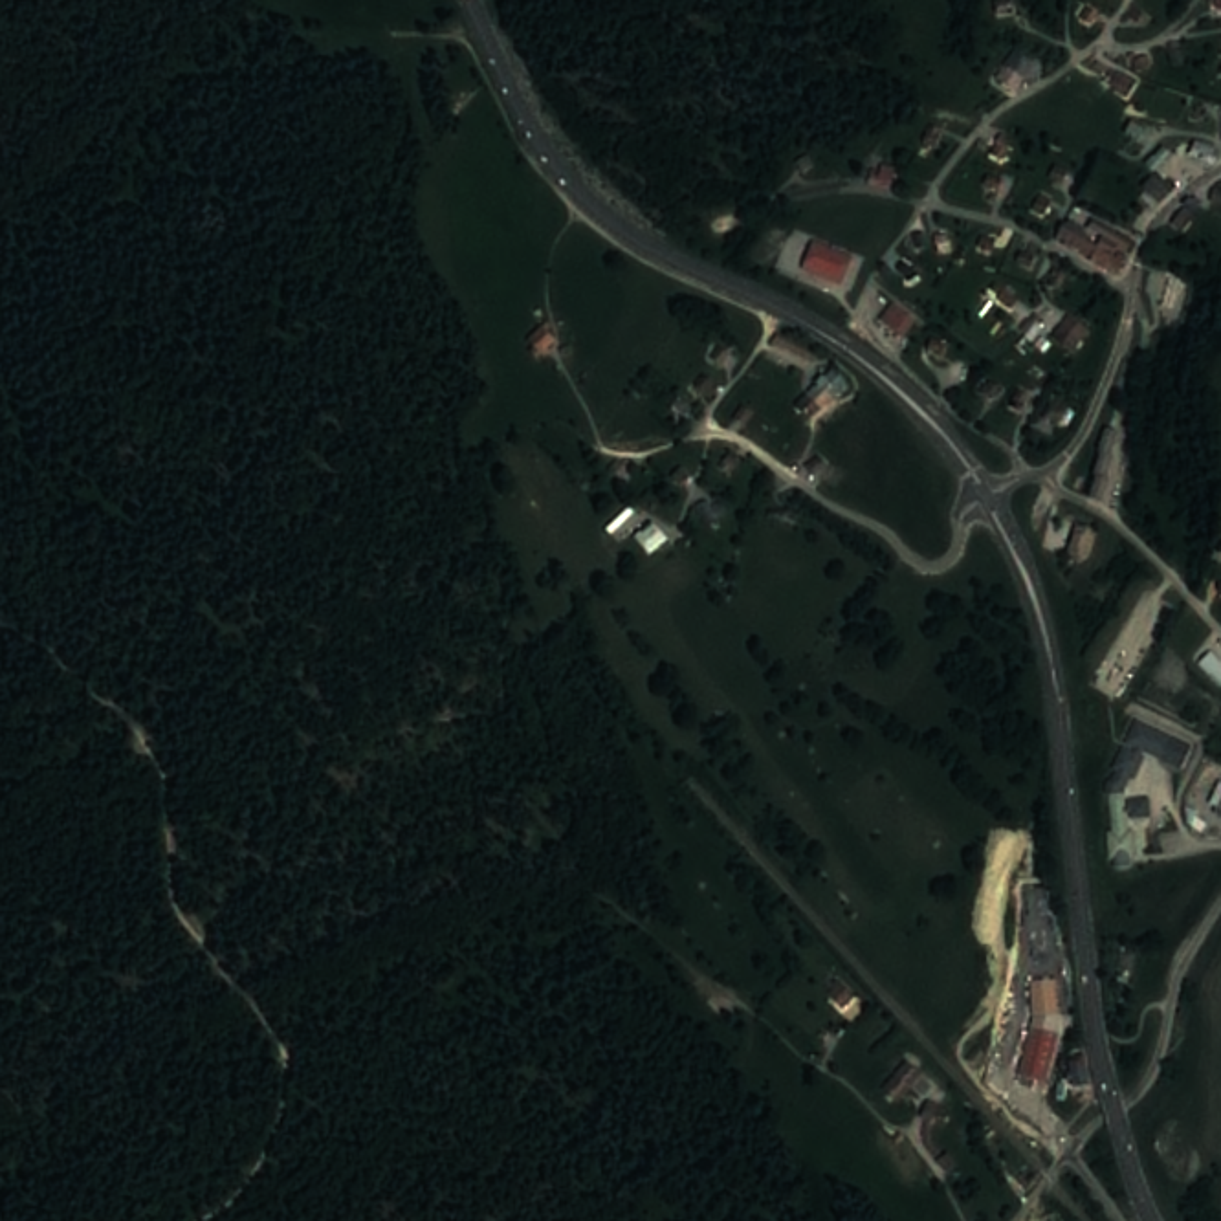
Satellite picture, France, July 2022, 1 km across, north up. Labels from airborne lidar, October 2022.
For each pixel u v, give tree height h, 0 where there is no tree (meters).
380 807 23
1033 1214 0
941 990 0
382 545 15
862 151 0
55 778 18
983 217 0
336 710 20
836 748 0
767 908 18
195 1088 23
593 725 31
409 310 24
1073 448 0
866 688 0
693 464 0
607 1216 28
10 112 25
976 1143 16
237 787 24
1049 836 15
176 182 17
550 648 25
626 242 0
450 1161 13
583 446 9
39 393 27
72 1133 20
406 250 19
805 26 18
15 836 20
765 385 0
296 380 18
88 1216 21
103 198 22
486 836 11
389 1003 15
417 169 14
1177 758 0
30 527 23
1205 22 10
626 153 11
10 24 20
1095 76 0
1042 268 0
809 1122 0
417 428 14
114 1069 30
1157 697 0
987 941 0
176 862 19
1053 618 0
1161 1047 0
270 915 15
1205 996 0
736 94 30
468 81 0
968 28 22
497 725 15
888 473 0
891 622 15
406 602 14
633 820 20
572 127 12
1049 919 0
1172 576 0
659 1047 15
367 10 0
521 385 0
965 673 17
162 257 21
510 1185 23
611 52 20
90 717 21
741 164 11
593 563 0
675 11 26
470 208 0
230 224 18
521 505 0
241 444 26
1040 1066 0
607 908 15
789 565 0
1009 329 0
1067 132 0
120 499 13
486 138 0
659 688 19
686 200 8
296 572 18
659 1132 32
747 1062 0
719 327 6
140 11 19
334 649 14
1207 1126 0
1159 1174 0
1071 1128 0
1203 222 0
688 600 0
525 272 0
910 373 0
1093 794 0
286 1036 17
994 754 15
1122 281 0
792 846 17
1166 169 0
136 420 17
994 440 0
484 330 0
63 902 20
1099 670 0
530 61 28
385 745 8
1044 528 0
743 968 0
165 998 27
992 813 10
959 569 0
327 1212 20
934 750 16
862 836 0
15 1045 32
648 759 0
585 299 0
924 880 0
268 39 11
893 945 0
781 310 0
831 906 0
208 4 21
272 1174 17
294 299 23
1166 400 18
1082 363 0
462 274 0
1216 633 0
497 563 9
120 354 17
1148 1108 0
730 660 0
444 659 16
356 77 31
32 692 24
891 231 0
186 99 6
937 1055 0
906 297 0
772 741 0
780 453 0
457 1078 18
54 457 19
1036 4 13
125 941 23
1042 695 0
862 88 20
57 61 23
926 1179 0
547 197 0
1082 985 0
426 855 24
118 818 18
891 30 8
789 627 0
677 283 0
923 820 0
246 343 20
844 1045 0
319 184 18
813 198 0
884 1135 0
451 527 18
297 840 18
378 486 20
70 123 24
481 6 0
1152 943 15
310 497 22
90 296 29
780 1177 19
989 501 0
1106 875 0
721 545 0
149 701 25
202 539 25
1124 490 0
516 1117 20
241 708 27
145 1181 13
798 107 16
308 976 26
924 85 0
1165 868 0
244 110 18
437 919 27
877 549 12
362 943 27
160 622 18
